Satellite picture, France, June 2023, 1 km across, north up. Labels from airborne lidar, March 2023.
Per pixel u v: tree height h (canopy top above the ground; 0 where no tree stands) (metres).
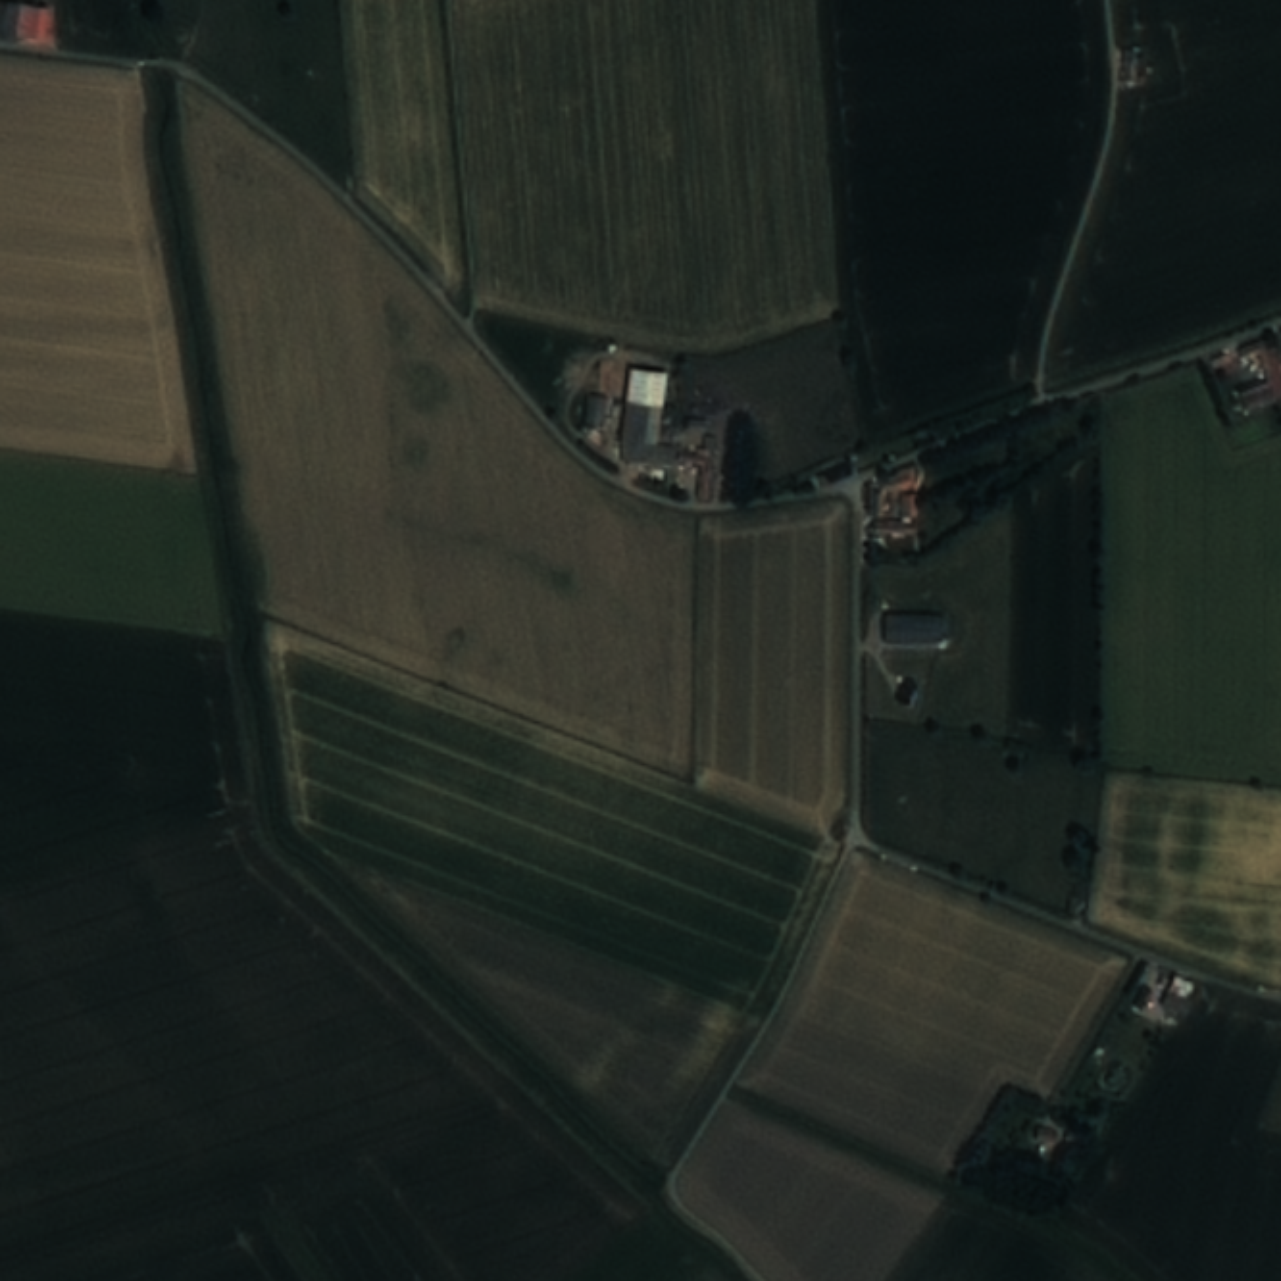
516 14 0
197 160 0
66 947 0
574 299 0
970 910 0
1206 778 0
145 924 0
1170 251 0
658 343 0
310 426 0
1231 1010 0
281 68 0
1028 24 0
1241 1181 0
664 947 0
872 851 0
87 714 0
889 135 0
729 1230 0
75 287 0
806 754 0
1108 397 0
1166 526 0
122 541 0
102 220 0
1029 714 0
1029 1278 0
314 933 0
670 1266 0
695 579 0
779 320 0
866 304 0
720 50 0
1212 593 0
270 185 0
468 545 0
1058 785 0
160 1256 0
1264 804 0
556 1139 0
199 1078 0
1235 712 0
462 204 0
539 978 0
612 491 0
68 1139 0
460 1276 0
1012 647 0
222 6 0
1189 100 0
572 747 0
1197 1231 0
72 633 0
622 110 0
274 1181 0
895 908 0
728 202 0
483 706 0
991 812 0
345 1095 0
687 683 0
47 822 0
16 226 0
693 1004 0
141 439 0
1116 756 0
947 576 0
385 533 0
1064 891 0
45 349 0
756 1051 0
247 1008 0
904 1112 0
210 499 0
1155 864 0
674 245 0
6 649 0
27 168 0
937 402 0
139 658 0
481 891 0
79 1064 0
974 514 14
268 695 0
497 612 0
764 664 0
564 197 0
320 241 0
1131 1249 0
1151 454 0
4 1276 0
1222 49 0
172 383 0
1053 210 0
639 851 0
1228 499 0
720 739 0
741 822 0
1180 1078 0
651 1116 0
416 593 0
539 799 0
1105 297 0
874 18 0
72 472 0
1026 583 0
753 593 0
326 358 0
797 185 0
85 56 0
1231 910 0
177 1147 0
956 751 0
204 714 0
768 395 0
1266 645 0
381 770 0
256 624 0
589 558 0
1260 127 0
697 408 0
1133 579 0
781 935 0
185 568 0
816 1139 0
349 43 0
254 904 0
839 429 0
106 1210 0
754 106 0
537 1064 0
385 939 0
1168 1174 0
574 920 0
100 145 0
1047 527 0
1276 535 0
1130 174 0
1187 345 0
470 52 0
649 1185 0
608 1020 0
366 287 0
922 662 0
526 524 0
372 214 0
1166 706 0
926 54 0
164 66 0
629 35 0
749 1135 0
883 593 0
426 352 0
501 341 0
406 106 0
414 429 0
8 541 0
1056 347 0
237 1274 0
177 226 0
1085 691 0
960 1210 0
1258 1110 0
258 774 0
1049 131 0
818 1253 0
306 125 0
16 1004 0
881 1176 0
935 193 0
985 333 0
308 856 0
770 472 0
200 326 0
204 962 0
